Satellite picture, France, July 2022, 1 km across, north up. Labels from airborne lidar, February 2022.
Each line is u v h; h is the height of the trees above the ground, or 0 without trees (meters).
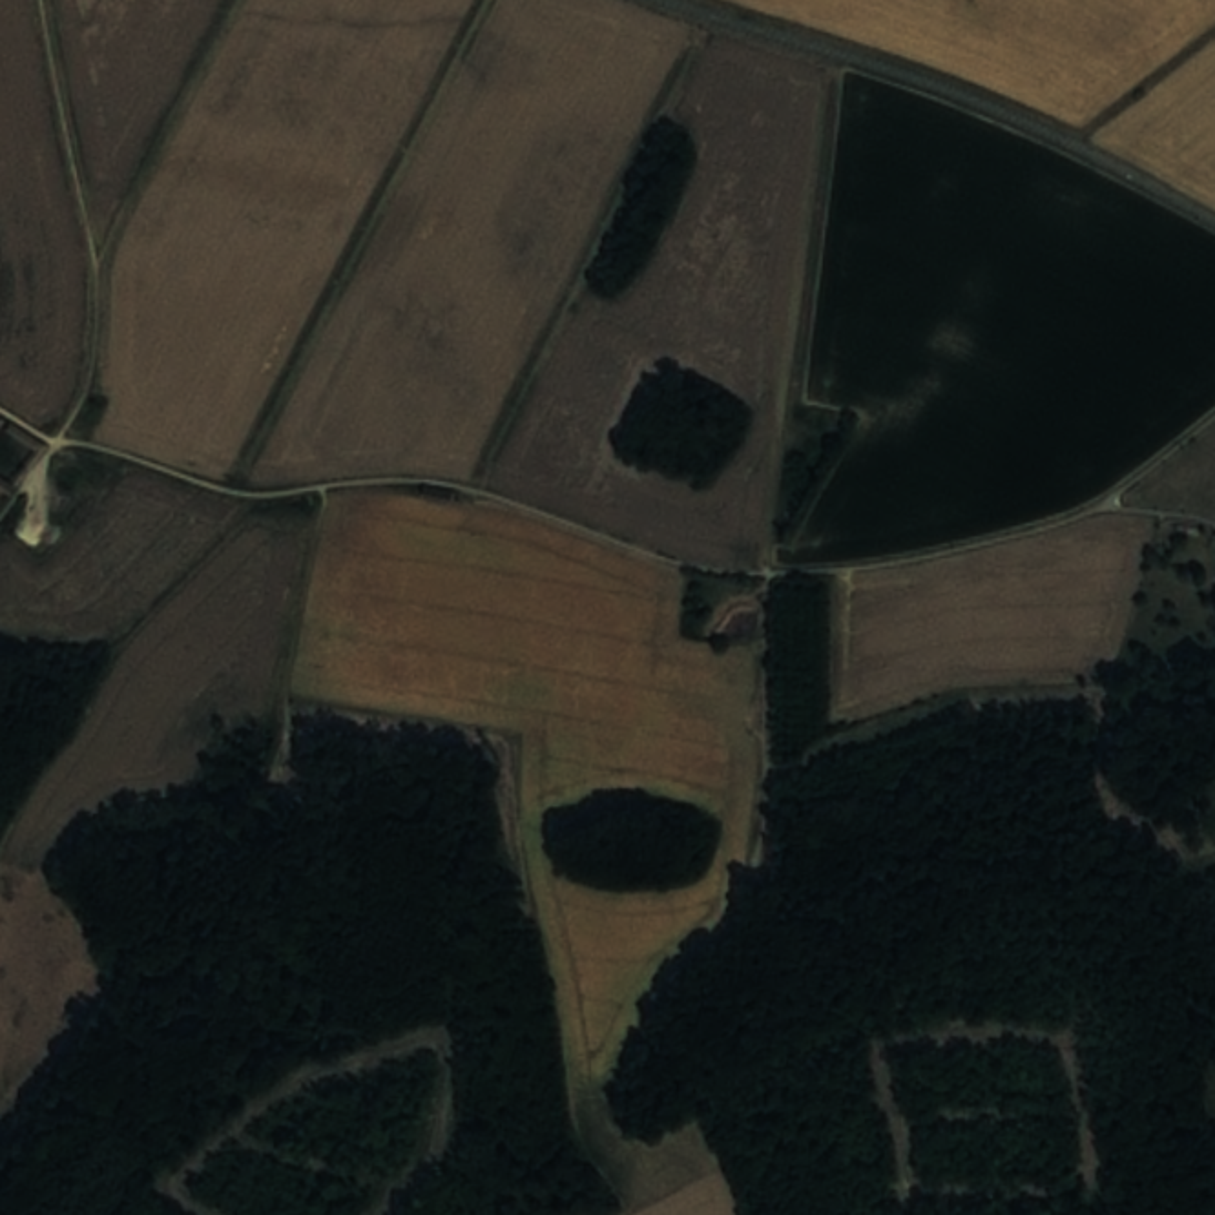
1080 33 0
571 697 0
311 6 0
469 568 0
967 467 0
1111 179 0
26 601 0
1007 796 27
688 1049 23
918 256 0
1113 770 33
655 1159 0
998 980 19
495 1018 7
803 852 20
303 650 0
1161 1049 27
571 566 0
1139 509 0
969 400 0
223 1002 34
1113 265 0
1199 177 0
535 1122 13
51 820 0
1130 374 0
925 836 29
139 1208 19
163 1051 30
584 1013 0
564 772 0
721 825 0
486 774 26
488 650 0
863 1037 17
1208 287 0
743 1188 13
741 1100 15
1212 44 0
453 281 0
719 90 0
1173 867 20
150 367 0
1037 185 0
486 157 0
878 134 0
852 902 28
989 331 0
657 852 33
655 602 0
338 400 0
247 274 0
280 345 0
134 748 0
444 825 27
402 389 0
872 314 0
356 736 25
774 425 0
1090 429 0
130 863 30
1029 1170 15
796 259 0
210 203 0
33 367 0
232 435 0
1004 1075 12
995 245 0
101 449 0
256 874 27
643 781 0
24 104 0
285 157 0
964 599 0
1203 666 22
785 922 26
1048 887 22
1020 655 0
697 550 0
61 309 0
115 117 0
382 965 9
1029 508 0
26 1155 26
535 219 0
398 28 0
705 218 0
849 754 12
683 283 0
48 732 22
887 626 0
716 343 0
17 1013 0
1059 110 0
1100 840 24
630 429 17
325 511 0
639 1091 21
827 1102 17
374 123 0
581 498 0
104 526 0
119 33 0
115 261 0
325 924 13
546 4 0
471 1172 19
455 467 0
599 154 0
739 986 28
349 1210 21
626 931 0
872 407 0
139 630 0
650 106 0
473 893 22
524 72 0
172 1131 20
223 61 0
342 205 0
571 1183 17
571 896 0
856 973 21
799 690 14
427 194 0
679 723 0
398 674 0
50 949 0
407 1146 18
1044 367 0
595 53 0
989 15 0
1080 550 0
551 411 0
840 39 0
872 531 0
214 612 0
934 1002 15
